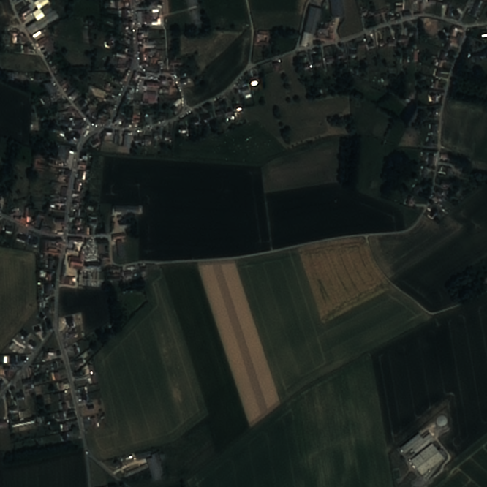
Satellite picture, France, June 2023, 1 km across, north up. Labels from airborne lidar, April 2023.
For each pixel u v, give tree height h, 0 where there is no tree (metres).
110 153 0
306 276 0
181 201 0
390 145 0
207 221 0
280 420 0
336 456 0
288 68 0
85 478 0
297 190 0
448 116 0
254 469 0
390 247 0
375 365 0
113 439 0
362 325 0
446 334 0
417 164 12
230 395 0
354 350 0
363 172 0
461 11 0
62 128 9
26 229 0
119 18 8
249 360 0
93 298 0
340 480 0
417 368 0
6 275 0
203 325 0
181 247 0
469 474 0
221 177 0
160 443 0
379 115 0
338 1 0
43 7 0
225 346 0
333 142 0
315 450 0
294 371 0
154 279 0
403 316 0
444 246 0
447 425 0
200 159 0
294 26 0
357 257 0
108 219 0
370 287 0
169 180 0
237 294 0
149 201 0
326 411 0
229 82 0
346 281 0
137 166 0
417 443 0
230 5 0
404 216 0
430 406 0
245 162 0
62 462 0
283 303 0
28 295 0
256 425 0
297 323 0
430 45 0
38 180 0
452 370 0
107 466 0
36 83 0
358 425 0
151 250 0
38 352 0
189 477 0
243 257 0
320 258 0
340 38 0
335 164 0
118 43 13
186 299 0
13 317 0
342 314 0
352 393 0
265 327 0
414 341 0
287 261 0
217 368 0
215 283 0
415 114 0
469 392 0
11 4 0
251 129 0
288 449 0
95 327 0
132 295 0
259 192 0
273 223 0
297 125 0
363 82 0
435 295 0
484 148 0
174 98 0
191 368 0
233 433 0
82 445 0
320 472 0
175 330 0
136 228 10
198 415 0
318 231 0
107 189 0
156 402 0
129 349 0
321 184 0
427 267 0
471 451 0
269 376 0
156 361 0
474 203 0
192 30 19
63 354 0
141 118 6
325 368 0
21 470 0
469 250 0
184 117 6
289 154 0
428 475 0
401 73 9
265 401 0
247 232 0
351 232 0
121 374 0
